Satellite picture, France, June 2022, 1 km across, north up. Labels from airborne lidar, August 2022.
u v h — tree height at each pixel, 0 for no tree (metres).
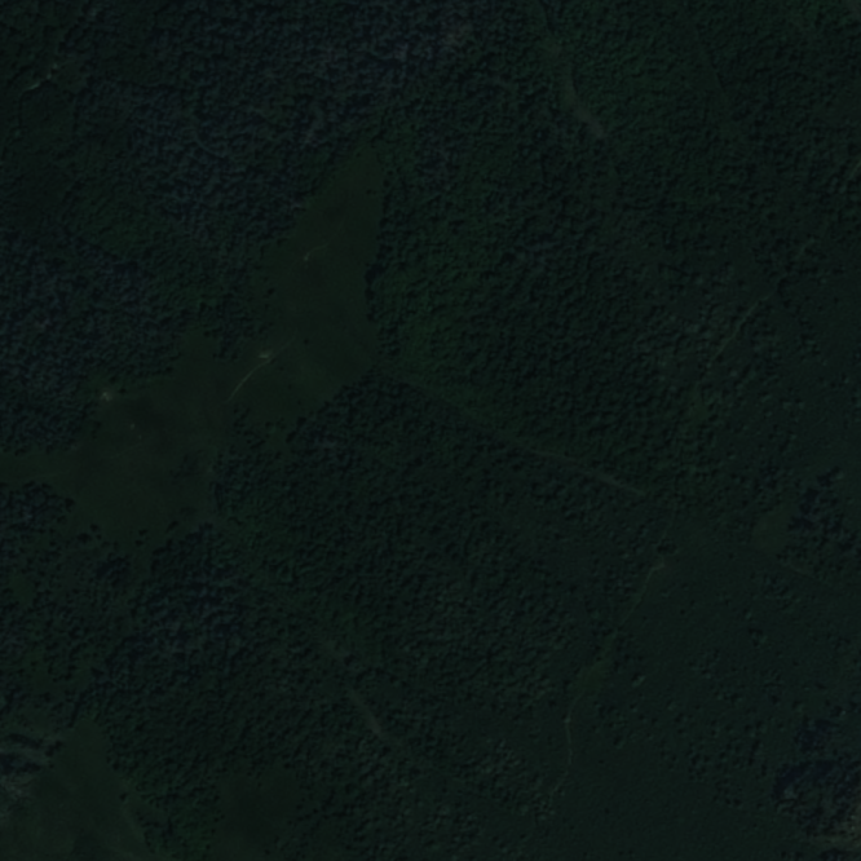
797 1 11
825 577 7
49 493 10
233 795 0
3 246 17
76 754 0
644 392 12
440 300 14
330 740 11
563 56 6
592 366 10
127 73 18
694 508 11
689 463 11
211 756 14
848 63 8
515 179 13
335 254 0
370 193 7
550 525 7
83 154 12
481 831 7
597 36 12
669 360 6
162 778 11
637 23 13
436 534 10
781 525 0
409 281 15
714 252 6
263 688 9
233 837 0
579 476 6
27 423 21
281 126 11
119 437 0
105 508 0
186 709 11
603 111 15
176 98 30
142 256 15
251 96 20
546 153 10
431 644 7
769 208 6
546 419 15
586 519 8
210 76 22
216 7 35
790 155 12
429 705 11
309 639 12
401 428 12
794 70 7
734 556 8
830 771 11
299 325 0
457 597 7
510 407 14
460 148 14
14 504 14
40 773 8
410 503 12
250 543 13
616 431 12
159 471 0
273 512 17
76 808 0
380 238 7
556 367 14
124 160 25
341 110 28
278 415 0
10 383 20
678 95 11
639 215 7
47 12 12
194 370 0
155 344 13
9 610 21
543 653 8
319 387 0
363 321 0
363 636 13
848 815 8
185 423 0
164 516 0
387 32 32
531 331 10
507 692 7
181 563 12
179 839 18
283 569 18
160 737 8
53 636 11
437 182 10
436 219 17
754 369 8
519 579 7
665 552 11
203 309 14
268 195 15
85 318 15
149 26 15
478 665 10
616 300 13
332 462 11
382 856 9
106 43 24
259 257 7
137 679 15
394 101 20
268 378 0
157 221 9
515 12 23
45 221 18
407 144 15
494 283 11
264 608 9
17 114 15
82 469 0
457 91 15
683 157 15
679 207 11
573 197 16
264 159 14
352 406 7
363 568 13
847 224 13
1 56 12
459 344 7
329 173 17
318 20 24
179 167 27
